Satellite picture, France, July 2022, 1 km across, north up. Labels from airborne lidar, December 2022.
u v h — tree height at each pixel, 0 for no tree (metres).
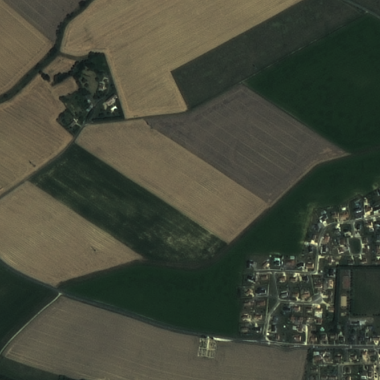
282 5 0
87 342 0
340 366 0
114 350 0
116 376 0
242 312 0
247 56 0
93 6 0
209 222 0
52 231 0
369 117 0
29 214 0
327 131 0
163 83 0
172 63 0
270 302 0
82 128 0
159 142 0
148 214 0
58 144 0
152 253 0
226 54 0
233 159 0
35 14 0
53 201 0
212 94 0
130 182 0
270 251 0
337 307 15
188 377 0
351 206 0
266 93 0
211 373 0
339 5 0
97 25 0
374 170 0
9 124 0
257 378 0
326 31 0
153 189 0
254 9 0
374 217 0
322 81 0
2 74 0
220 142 0
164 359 0
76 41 0
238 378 0
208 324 0
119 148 0
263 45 0
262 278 0
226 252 0
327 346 0
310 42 0
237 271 0
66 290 0
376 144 0
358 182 0
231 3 0
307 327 0
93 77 0
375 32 0
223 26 0
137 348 0
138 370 0
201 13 0
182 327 0
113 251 0
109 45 0
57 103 0
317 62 0
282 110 0
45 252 0
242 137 0
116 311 0
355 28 0
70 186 0
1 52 0
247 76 0
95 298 0
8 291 0
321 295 0
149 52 0
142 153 0
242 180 0
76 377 0
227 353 0
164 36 0
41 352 0
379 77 0
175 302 0
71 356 0
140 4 0
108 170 0
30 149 0
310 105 0
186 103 0
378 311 0
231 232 0
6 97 8
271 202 0
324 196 0
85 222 0
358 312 0
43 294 0
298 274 0
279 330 0
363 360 0
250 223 0
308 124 0
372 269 13
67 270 0
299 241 0
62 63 0
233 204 0
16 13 0
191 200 0
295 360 0
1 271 0
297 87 0
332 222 0
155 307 0
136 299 0
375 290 0
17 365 0
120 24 0
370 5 0
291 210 0
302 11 0
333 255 0
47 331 0
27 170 0
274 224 0
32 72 0
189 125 0
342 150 0
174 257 0
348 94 0
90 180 0
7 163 0
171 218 0
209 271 0
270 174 0
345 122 0
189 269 0
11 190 0
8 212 0
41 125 0
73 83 0
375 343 0
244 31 0
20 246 0
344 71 0
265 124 0
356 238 0
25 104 0
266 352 0
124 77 0
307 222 0
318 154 0
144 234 0
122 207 0
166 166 0
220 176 0
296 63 0
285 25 0
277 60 0
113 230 0
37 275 0
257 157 0
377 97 0
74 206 0
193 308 0
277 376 0
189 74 0
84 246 0
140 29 0
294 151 0
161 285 0
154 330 0
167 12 0
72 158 0
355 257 0
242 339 0
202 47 0
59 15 0
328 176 0
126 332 0
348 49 0
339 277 13
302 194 0
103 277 0
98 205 0
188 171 0
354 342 12
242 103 0
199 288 0
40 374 0
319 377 0
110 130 0
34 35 0
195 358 0
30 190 0
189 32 0
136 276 0
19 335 0
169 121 0
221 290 0
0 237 0
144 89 0
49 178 0
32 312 0
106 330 0
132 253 0
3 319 0
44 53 0
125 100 0
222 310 0
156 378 0
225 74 0
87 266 0
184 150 0
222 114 0
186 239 0
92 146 0
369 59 0
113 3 0
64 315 0
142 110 0
